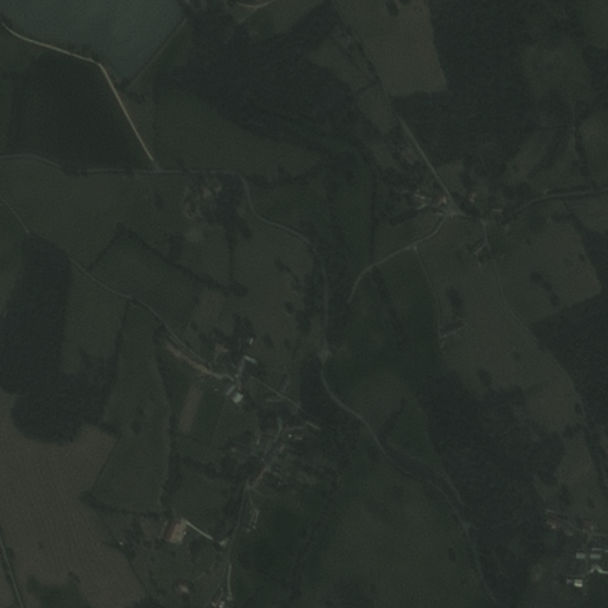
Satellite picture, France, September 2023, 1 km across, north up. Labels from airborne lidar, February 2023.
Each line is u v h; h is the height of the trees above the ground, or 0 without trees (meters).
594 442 11
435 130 0
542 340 0
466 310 0
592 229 0
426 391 14
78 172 12
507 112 18
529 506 0
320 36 13
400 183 16
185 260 0
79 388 13
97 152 0
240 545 0
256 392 0
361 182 0
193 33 0
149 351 0
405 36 0
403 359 0
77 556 0
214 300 0
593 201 0
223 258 0
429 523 0
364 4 0
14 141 0
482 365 0
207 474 14
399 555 0
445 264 0
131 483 0
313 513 0
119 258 0
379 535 0
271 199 0
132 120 0
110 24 0
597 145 0
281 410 19
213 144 0
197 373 0
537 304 0
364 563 0
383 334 0
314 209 0
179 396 0
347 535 0
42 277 14
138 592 0
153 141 0
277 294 0
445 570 0
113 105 0
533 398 0
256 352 0
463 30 13
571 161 0
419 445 0
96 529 0
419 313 0
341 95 20
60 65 0
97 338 0
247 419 0
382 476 0
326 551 0
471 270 0
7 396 0
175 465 7
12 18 0
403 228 0
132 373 0
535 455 8
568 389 0
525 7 8
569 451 0
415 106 15
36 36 0
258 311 0
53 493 0
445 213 0
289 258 0
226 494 9
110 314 0
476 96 17
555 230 0
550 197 0
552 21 0
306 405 11
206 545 9
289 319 0
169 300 0
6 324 14
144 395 0
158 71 0
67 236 0
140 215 0
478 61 17
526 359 0
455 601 0
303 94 14
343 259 9
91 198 0
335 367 0
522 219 0
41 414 12
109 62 0
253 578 0
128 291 0
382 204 0
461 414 22
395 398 0
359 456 0
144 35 0
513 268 0
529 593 0
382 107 0
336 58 0
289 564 0
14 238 0
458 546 0
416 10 0
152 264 0
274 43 6
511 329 0
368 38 0
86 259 0
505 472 21
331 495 7
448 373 0
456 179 0
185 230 0
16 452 0
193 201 13
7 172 0
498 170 11
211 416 0
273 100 16
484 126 10
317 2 0
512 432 6
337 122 0
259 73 16
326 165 9
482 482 12
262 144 0
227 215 14
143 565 0
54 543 0
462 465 9
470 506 15
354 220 0
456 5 9
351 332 0
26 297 10
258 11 0
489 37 20
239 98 25
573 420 0
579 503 0
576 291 0
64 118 0
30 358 17
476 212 12
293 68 7
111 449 0
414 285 0
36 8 0
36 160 0
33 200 0
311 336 0
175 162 0
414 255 0
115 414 0
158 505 0
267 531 0
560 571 0
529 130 11
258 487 0
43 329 15
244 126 9
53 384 15
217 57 10
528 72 0
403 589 0
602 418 14
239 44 11
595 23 0
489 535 18
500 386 0
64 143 0
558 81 0
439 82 0
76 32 0
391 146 0
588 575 0
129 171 15
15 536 0
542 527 12
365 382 0
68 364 0
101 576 0
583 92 0
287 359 0
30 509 0
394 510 0
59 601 0
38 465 0
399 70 0
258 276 0
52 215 0
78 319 0
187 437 0
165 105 0
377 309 0
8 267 0
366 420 0
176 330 0
